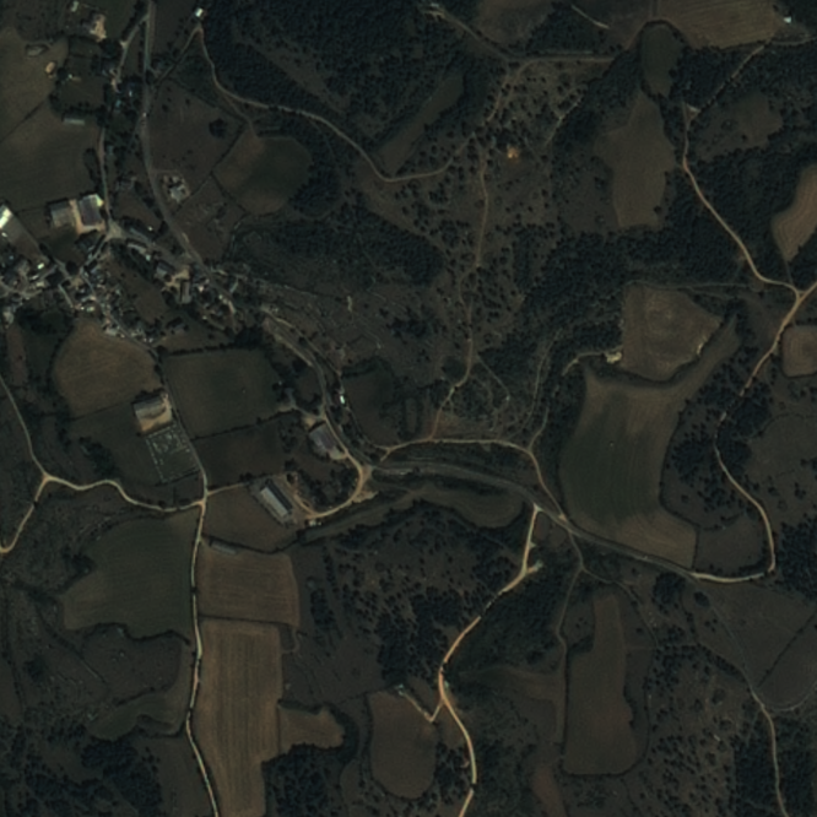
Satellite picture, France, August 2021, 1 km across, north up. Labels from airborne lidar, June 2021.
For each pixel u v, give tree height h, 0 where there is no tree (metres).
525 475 0
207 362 0
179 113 0
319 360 7
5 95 0
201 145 0
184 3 0
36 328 12
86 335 0
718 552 0
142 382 0
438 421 0
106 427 0
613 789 0
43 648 0
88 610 0
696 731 0
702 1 0
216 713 0
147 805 10
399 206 0
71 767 0
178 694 0
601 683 0
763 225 6
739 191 7
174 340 0
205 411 0
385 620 9
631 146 0
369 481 0
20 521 0
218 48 11
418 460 0
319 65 7
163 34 0
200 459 0
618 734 0
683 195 8
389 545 0
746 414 8
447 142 0
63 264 0
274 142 0
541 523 0
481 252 0
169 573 0
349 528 0
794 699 0
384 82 7
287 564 0
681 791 0
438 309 0
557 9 13
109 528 6
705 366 0
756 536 0
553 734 0
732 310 11
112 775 13
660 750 8
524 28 0
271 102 7
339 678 0
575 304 10
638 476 0
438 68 7
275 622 0
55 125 0
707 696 0
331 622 8
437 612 7
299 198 8
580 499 0
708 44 0
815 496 0
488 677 0
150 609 0
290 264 0
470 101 13
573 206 0
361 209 8
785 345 0
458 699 0
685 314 0
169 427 0
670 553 0
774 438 0
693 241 9
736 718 0
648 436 0
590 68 0
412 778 0
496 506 0
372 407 0
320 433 0
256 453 0
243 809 0
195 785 0
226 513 0
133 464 0
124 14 0
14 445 0
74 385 0
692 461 10
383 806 0
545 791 0
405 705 0
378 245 6
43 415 8
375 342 0
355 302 0
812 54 6
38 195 0
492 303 9
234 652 0
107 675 0
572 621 0
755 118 0
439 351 0
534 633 6
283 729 0
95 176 7
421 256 8
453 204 0
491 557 8
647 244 7
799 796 10
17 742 9
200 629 0
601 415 0
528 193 0
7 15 0
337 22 11
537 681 0
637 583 0
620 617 0
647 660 0
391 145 0
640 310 0
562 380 12
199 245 0
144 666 0
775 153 8
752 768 8
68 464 0
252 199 0
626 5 0
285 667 0
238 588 0
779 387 0
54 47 0
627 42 0
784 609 0
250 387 0
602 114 8
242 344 12
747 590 0
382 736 0
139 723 0
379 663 8
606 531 0
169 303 12
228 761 0
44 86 0
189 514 0
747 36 0
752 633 0
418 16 13
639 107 0
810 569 10
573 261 8
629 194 0
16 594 0
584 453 0
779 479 0
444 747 8
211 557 0
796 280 8
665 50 0
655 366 0
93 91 0
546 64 0
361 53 12
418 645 8
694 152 7
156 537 0
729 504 6
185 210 0
